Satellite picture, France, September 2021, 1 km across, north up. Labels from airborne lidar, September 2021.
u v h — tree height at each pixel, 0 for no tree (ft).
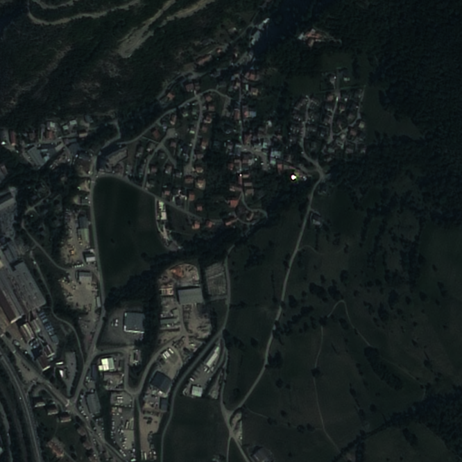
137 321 0
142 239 0
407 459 0
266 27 80
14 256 0
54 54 26
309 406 0
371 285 29
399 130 0
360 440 31
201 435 0
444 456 0
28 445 30
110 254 0
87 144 52
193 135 0
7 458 50
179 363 0
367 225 39
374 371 46
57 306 38
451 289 0
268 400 0
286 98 42
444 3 87
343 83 0
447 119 85
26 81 27
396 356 0
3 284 0
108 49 18
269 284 0
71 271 0
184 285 0
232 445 0
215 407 0
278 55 40
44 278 0
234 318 0
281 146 22
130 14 41
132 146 0
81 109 30
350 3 39
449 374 0
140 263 0
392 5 57
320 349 0
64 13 37
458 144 67
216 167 23
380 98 0
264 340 0
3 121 42
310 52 65
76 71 31
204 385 0
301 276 0
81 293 0
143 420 0
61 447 0
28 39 25
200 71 24
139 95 47
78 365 24
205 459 0
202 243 48
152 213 0
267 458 0
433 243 0
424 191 37
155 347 0
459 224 37
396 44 126
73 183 57
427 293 0
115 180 0
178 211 0
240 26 18
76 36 36
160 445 0
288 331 36
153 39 47
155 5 32
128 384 0
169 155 0
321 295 48
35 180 69
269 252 0
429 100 80
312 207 0
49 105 50
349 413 0
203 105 0
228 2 54
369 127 0
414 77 81
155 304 48
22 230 23
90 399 0
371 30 55
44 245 19
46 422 0
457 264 0
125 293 29
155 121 35
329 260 0
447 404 45
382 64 55
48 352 0
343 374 0
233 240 65
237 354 0
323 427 0
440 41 72
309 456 0
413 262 48
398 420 41
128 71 40
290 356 0
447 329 20
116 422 0
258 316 0
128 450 0
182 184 0
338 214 0
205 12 40
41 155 0
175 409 0
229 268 0
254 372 0
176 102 27
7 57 19
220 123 46
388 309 0
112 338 0
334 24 36
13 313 0
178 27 47
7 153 50
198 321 0
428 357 0
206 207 24
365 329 0
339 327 0
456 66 71
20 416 23
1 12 50
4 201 0
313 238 0
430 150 65
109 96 41
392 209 39
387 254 32
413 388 0
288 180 27
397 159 76
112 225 0
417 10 98
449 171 75
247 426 0
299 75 47
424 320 0
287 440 0
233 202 0
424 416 49
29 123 65
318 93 0
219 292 0
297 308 26
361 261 0
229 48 26
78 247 0
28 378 0
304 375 0
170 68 29
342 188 46
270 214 63
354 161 30
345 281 45
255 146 0
